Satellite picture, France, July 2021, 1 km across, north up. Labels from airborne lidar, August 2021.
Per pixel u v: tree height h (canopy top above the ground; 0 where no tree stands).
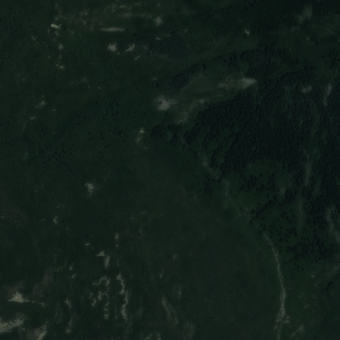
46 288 0
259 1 5
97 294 0
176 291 0
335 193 14
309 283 0
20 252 0
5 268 0
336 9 6
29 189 0
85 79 0
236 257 0
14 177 0
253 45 0
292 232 15
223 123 22
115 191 0
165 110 0
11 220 0
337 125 14
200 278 0
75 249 0
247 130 13
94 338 0
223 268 0
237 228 0
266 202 9
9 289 0
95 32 0
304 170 10
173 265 0
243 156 16
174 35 14
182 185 0
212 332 0
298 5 14
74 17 0
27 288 0
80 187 0
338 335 0
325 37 6
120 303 0
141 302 0
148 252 0
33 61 7
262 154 15
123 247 0
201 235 0
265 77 7
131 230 0
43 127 6
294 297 0
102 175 0
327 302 0
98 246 0
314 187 10
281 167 0
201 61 0
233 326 0
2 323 0
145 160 0
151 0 0
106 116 7
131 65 0
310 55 0
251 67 13
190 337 0
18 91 0
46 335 0
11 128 0
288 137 14
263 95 10
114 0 0
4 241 0
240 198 0
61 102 0
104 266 0
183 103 0
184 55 13
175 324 0
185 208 0
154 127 9
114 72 0
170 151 0
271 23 11
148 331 0
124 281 0
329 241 0
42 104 0
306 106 12
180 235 0
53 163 0
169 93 0
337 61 15
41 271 0
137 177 0
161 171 0
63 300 0
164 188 0
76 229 0
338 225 6
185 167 0
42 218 0
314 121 9
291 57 12
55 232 0
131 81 0
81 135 0
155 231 0
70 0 0
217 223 0
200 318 0
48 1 0
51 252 0
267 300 0
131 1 0
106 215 0
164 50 11
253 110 21
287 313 0
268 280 0
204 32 0
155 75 0
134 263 0
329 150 15
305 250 11
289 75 22
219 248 0
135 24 6
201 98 0
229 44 8
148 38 13
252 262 0
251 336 0
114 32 0
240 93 10
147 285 0
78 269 0
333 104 13
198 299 0
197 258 0
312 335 0
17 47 0
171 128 19
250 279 0
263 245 0
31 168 0
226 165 12
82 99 0
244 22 7
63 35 0
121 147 0
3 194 0
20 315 0
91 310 0
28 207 0
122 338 0
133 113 6
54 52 0
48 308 0
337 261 0
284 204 14
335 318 0
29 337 0
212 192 14
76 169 0
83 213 0
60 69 0
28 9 0
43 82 0
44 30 0
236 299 0
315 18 9
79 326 0
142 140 0
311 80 13
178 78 17
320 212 9
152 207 0
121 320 0
